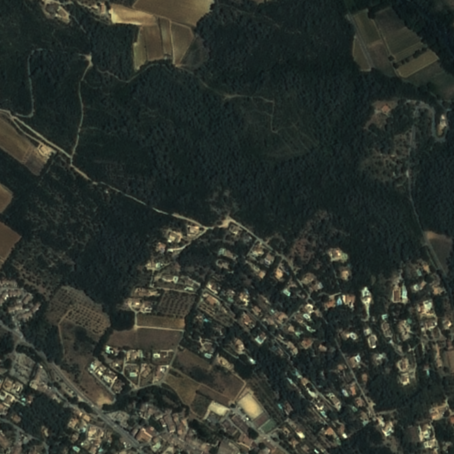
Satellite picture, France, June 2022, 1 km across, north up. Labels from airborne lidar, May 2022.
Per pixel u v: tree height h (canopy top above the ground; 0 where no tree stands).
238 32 7
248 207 6
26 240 8
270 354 19
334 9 10
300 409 16
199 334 9
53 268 8
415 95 11
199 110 16
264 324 6
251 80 11
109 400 0
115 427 0
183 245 12
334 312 22
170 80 11
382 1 11
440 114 13
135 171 6
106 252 20
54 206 9
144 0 0
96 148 6
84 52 6
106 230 17
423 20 17
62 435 20
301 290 8
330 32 8
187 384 0
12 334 16
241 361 8
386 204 23
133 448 8
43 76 7
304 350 11
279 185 11
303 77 11
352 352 10
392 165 9
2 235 0
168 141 6
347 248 7
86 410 12
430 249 7
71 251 9
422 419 20
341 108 20
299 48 8
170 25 0
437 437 10
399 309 8
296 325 9
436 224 11
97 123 11
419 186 11
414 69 0
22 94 7
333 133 17
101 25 19
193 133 7
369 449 8
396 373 8
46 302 7
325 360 7
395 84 15
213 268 7
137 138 21
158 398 9
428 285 12
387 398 24
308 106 16
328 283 9
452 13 15
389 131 18
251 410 0
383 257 7
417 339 7
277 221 8
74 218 7
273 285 6
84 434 11
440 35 22
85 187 12
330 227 15
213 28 18
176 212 7
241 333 21
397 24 0
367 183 20
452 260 18
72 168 9
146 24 0
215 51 16
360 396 6
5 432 13
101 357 11
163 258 7
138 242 18
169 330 0
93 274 6
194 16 0
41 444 21
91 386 0
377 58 0
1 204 0
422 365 10
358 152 8
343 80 21
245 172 16
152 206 18
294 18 7
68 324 0
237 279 24
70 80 7
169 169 19
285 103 7
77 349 12
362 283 10
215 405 0
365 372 9
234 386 0
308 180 10
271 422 0
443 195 19
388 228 22
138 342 0
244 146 19
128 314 9
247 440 0
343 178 18
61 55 13
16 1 9
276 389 18
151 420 9
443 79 0
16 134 0
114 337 0
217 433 8
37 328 14
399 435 6
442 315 6
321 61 11
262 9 10
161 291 8
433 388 21
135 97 13
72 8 15
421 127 8
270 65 13
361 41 0
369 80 25
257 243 6
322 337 21
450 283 9
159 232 9
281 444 8
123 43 13
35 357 12
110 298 7
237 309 24
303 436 0
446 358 0
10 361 9
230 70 19
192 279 9
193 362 0
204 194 7
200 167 16
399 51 0
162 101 21
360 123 11
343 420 22
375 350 7
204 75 8
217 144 23
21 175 5
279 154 0
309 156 21
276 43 10
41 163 0
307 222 8
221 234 9
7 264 8
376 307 7
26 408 16
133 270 23
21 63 9
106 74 6
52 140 12
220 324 7
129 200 8
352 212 15
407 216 20
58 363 17
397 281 0
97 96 8
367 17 0
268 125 9
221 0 7
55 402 7
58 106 9
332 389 23
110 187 6
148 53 0
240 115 14
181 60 0
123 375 13
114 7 0
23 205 10
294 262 8
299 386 10
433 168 21
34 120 6
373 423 6
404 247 20
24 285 8
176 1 0
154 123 6
